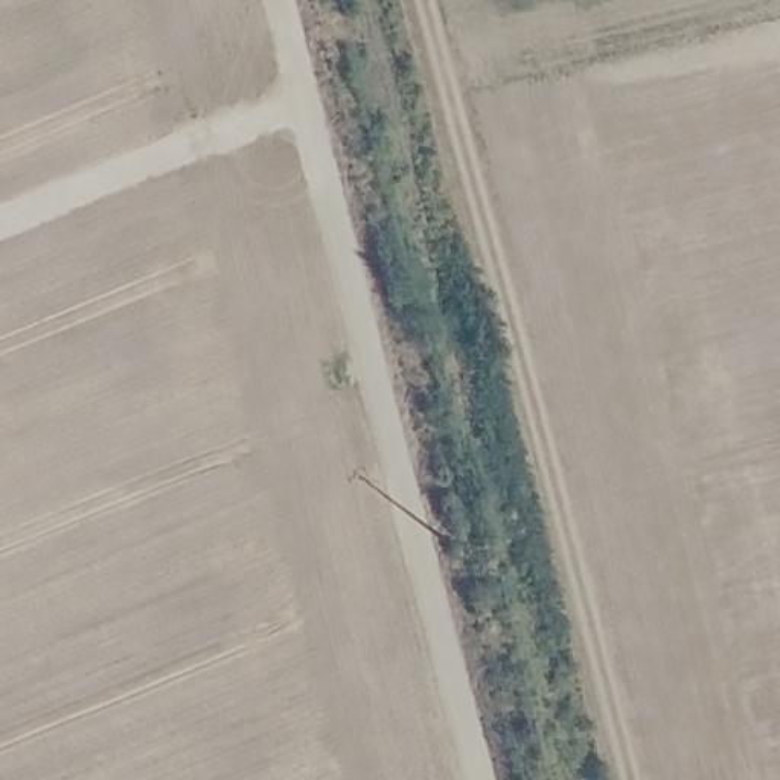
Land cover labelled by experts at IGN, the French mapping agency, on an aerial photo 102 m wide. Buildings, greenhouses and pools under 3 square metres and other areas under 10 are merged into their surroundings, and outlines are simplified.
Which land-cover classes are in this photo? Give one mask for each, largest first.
<instances>
[{"label":"agricultural land","instance_id":"1","mask_svg":"<svg viewBox=\"0 0 780 780\"><path fill-rule=\"evenodd\" d=\"M277 82L274 34L268 27L262 0H0V201H9L52 180L70 177L76 171H85L91 165H101L128 149L155 143L174 134L180 122L207 119L219 107L259 104L265 91ZM451 61L460 79L469 128L484 168L488 195L500 222V238L518 289V305L527 323V338L539 363L542 393L551 414L564 475L573 494L576 518L582 527L585 555L597 579L600 609L612 631L615 667L634 710L631 725L640 737L643 768L652 780H780V0H436ZM350 332L344 323L335 271L323 247V235L317 229L308 180L293 134H262L259 140L235 152L210 155L177 171H165L158 177H146L137 186L73 207L70 213H61L49 222H40L27 232L0 241V780H463L460 746L436 676L427 622L393 524V509L375 491H369L375 478L369 475V469L381 460V451L375 442L372 414L363 399V387L347 375Z\"/></svg>","mask_w":780,"mask_h":780},{"label":"pervious surface","instance_id":"2","mask_svg":"<svg viewBox=\"0 0 780 780\"><path fill-rule=\"evenodd\" d=\"M268 27L274 34L277 82L265 91L259 104L219 107L207 119L180 122L174 134L155 143L128 149L101 165H91L85 171H76L70 177L52 180L9 201H0V241L27 232L40 222H49L61 213H70L73 207L137 186L146 177H158L165 171H177L210 155L235 152L259 140L262 134H293L308 180L317 229L323 235V247L335 271L344 323L350 332L347 375L363 387V399L372 414L375 442L381 451V460L369 469V475L375 478L369 491H375L393 509V524L427 622L436 676L460 746L463 780H497L472 686L460 649V631L454 622V606L460 603L451 582L442 576L439 567V542L427 530L436 515L424 494L417 488L420 445L411 427V402L405 396L399 399L393 393V366L387 363L381 335L384 317L381 296L375 293V280L363 262L360 235L347 210V189L335 165L332 128L326 122L323 94L314 76L311 52L305 46L296 0H262ZM396 6L402 9L399 30L408 40L411 64L420 82V101L430 110V128L436 140L433 158L442 168V192L454 207L460 235L469 247L472 265L478 268V280L494 293V314L500 317L503 338L509 344L506 375L512 381V405L524 439L527 466L536 481L551 542V564L558 573V585L564 591V612L570 619V655L576 661V673L582 679V710L594 722L597 753L612 780H652L643 768L640 737L631 725L634 710L615 667L612 631L600 609L597 579L585 555L582 527L576 518L573 494L564 475L551 414L542 393L539 363L527 338V323L518 305V289L500 238V222L488 195L484 168L469 128L460 79L451 61L436 0H396Z\"/></svg>","mask_w":780,"mask_h":780},{"label":"brushwood","instance_id":"3","mask_svg":"<svg viewBox=\"0 0 780 780\"><path fill-rule=\"evenodd\" d=\"M338 76L353 101L350 116L356 128L344 134L338 143L344 155L363 158L375 149V143L387 137V119L381 110L363 107V94L350 79L347 43L338 40ZM363 262L375 280V293L381 296L384 317L393 320L405 341L417 347V356L430 381L427 387H411L405 396L411 402V427L420 445L417 488L424 494L430 488H445V503L457 527L451 548L466 551L463 570L451 582L460 603L463 612H469L478 600L494 615L527 603L536 622V649L548 661L545 679L558 683L576 673V661L570 655V619L564 612V591L558 585V573L551 564V542L536 481L527 466L524 439L512 405V381L506 375L509 344L503 338L500 317L494 314V293L478 280V268L472 265L469 247L460 235L430 238L427 253H420L408 235L393 238L387 225L366 229L360 235ZM515 643H500V655H484L478 661L481 679L472 686L497 780H533L539 765V746L533 743L524 716V661L512 655ZM582 780H612L597 753L585 756L579 768Z\"/></svg>","mask_w":780,"mask_h":780},{"label":"herbaceous vegetation","instance_id":"4","mask_svg":"<svg viewBox=\"0 0 780 780\"><path fill-rule=\"evenodd\" d=\"M305 46L311 52L314 76L323 94L326 122L332 128L335 165L347 189V210L360 235L366 229L387 225L393 238L408 235L420 253H427L430 238L460 235L454 207L442 192V168L433 158L436 140L430 128V110L420 101V82L411 64L408 40L399 30L402 9L396 6V0H296ZM338 40L347 43L350 79L363 94V107L381 110L387 119V137L375 143V149L363 158L344 155L338 143L344 134L356 128L350 116L353 101L338 76ZM381 335L387 363L393 366V393L399 399L405 396L411 387H427L430 381L417 356V347L405 341L393 320L384 317ZM436 515L427 530L439 542V567L442 576L451 582L463 570L466 551L451 548L457 527L445 503V488H430L424 494ZM454 622L460 631V649L472 686L481 679L478 661L484 655H500V643H515L512 655L524 661V716L533 743L539 746V765L533 780H582L579 768L585 756L597 753L594 722L582 710V679L576 673L558 683L545 679L548 661L536 649V622L527 603L494 615L478 600L469 612H463L460 603L454 606Z\"/></svg>","mask_w":780,"mask_h":780}]
</instances>
